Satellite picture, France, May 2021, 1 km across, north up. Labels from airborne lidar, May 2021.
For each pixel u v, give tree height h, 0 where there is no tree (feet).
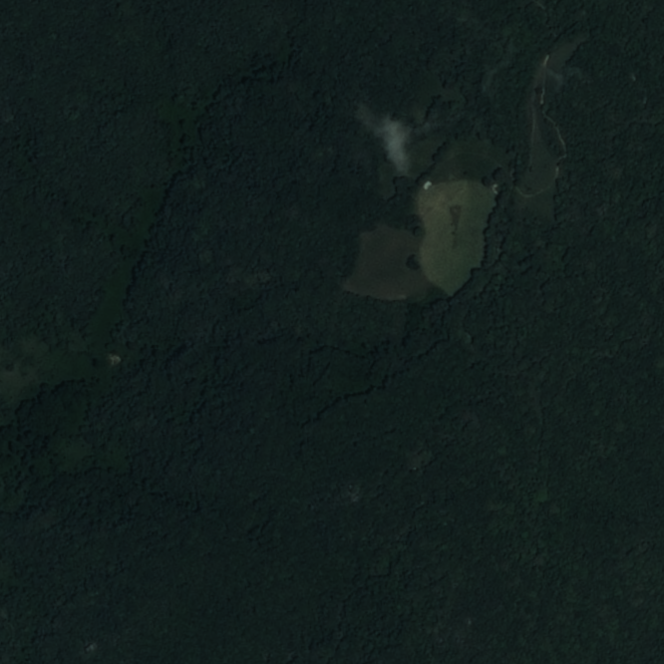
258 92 48
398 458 35
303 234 23
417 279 0
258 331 45
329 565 24
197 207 37
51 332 26
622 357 37
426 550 24
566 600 31
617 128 35
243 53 44
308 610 41
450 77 40
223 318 31
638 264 39
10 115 33
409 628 33
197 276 35
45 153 46
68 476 46
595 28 34
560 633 31
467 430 33
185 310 36
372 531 23
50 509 55
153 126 52
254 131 37
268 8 49
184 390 60
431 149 0
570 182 21
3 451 36
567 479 40
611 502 37
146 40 50
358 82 65
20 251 44
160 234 46
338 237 29
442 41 39
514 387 28
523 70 26
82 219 43
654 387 46
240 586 42
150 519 55
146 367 47
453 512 27
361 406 51
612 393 35
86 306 42
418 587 36
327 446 43
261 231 35
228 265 40
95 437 42
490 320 26
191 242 54
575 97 26
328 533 31
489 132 33
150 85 38
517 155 29
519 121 35
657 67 46
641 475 37
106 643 24
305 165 39
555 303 23
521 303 39
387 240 0
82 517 27
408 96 55
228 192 51
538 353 30
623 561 30
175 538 52
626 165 21
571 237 35
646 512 45
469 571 40
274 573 33
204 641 46
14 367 26
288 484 45
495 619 39
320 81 51
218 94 50
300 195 53
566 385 20
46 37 46
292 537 42
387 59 53
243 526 50
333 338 48
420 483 32
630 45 24
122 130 32
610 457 35
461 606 37
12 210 57
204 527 55
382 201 34
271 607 34
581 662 38
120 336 26
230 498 44
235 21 45
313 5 43
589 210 31
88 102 39
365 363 48
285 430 38
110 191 43
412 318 59
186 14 39
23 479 37
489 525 46
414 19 46
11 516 49
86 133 46
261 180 49
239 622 38
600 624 28
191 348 50
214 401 33
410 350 44
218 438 54
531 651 42
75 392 68
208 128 44
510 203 28
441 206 0
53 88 49
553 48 19
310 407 28
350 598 28
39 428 87
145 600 32
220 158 41
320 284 39
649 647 46
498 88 29
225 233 38
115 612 39
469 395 19
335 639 37
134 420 61
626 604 31
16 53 31
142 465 38
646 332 25
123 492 52
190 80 42
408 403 37
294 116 41
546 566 25
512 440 37
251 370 60
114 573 33
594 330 23
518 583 43
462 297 49
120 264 43
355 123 69
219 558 39
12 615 26
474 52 18
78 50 38
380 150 51
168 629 36
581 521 37
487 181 47
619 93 29
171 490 33
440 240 0
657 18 25
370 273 0
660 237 32
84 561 30
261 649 34
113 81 54
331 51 52
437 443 28
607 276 25
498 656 33
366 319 41
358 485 30
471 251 0
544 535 30
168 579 39
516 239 40
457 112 28
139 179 64
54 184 39
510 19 29
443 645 35
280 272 42
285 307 38
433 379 28
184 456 56
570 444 27
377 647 28
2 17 48
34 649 23
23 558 30
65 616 49
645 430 32
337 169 40
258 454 34
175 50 46
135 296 53
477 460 30
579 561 31
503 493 34
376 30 63
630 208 19
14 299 54
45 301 50
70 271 50
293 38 43
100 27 48
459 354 37
